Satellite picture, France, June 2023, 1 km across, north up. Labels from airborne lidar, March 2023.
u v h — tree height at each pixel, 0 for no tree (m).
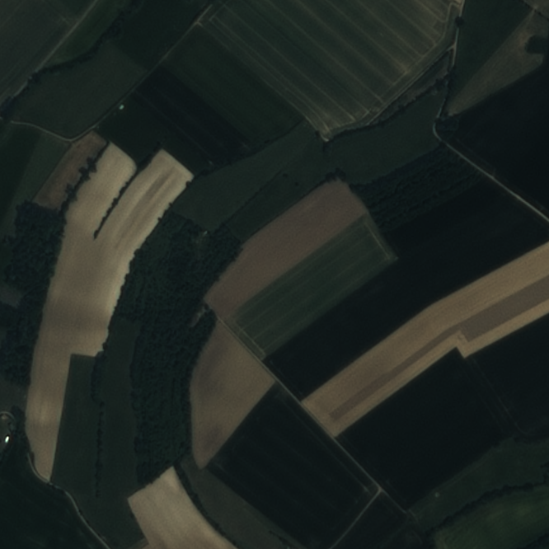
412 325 0
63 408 0
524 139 0
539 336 0
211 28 0
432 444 0
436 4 0
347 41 0
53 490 11
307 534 0
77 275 0
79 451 0
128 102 0
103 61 0
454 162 11
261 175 0
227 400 0
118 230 0
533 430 0
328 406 0
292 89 0
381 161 0
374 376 0
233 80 0
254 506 0
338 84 0
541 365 0
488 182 0
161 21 0
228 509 0
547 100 0
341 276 0
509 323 0
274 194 0
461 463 0
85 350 0
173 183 0
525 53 0
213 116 0
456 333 0
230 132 0
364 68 0
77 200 0
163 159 0
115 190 0
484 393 0
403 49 0
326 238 0
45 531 0
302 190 0
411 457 0
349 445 0
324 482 0
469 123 0
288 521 0
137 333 0
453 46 0
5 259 0
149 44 0
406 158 0
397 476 0
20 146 0
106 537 0
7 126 0
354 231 0
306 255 0
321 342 0
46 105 0
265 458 0
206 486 0
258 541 0
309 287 0
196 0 0
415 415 0
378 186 12
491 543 0
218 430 0
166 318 7
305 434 0
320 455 0
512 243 0
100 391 13
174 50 0
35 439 0
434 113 0
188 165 0
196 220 0
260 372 0
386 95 0
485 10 0
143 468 7
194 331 10
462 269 0
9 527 0
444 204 0
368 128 7
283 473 0
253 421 0
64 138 0
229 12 0
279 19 0
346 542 0
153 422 12
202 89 0
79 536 0
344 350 0
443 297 0
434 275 0
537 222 0
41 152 0
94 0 0
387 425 0
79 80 0
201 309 0
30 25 0
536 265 0
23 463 0
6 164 0
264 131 0
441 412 0
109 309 0
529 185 0
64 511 0
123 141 0
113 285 0
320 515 0
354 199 0
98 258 0
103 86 0
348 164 0
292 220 0
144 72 0
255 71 0
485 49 0
